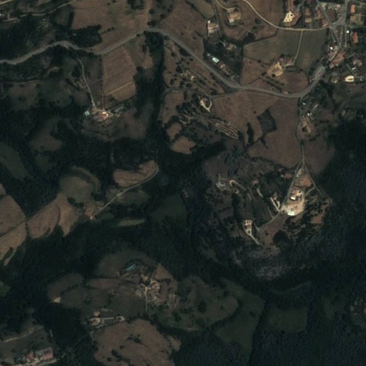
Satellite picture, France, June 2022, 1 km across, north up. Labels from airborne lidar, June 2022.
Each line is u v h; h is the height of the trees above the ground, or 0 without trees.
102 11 0
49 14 8
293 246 15
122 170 15
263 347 24
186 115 11
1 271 9
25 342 0
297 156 0
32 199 13
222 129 0
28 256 12
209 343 6
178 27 0
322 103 6
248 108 0
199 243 16
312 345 13
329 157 0
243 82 0
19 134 7
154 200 21
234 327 0
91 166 19
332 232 11
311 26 0
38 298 15
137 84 6
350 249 14
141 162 12
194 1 0
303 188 0
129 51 0
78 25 0
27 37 17
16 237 0
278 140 0
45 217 0
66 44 0
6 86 12
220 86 0
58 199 0
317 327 13
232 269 11
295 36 0
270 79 7
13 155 0
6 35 9
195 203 9
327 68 6
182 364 14
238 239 12
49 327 17
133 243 18
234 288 0
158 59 0
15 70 6
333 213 11
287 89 0
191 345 16
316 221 0
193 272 15
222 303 0
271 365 14
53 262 10
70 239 16
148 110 0
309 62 0
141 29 0
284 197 13
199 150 12
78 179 0
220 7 0
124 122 0
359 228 15
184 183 7
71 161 19
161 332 10
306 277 14
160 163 12
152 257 16
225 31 0
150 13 10
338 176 14
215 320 0
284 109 0
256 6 0
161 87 15
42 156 0
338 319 13
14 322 26
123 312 0
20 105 0
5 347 0
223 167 0
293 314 0
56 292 0
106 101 0
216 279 15
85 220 0
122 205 14
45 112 17
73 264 8
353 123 12
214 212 9
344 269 14
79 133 7
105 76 0
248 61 0
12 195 12
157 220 0
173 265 14
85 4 0
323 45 0
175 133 0
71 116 8
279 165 6
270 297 21
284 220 0
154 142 11
